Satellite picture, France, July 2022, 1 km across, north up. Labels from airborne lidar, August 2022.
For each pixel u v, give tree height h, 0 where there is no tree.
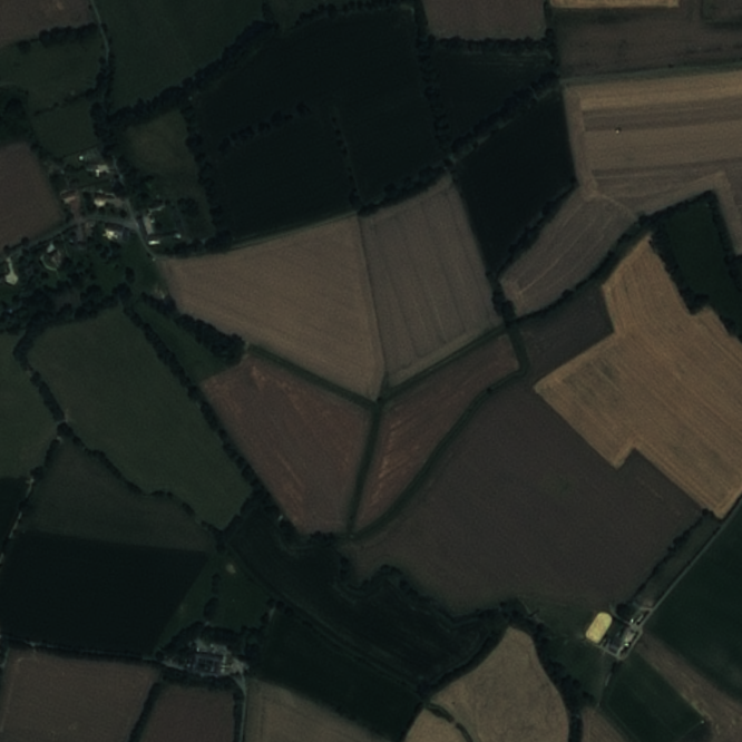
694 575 0
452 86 0
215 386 0
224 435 11
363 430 0
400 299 0
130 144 0
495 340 0
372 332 0
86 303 13
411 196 12
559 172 0
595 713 0
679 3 0
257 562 0
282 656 0
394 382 0
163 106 18
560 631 0
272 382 0
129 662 11
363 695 0
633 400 0
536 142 0
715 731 0
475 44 11
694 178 0
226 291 0
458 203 0
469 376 0
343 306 0
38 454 0
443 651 0
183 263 0
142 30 0
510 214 0
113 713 0
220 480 0
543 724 0
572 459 0
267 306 0
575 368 0
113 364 0
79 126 0
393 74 0
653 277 0
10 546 12
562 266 0
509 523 0
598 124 0
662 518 0
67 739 0
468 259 0
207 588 0
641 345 0
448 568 0
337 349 0
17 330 13
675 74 0
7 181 0
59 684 0
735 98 0
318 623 0
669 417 0
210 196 16
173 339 0
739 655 0
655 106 0
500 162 0
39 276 7
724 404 0
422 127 0
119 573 0
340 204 0
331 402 0
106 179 0
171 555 0
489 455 0
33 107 0
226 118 0
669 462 0
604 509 0
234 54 19
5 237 0
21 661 0
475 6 0
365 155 0
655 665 0
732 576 0
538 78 0
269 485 0
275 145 0
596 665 0
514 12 0
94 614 0
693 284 0
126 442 0
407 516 0
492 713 0
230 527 8
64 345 0
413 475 0
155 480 0
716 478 0
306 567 0
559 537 0
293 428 0
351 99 0
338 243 0
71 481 0
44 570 0
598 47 0
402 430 0
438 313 0
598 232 0
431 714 0
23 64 0
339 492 0
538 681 0
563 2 0
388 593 0
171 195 0
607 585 0
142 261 0
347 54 0
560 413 0
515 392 0
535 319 8
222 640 15
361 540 0
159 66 0
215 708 0
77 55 0
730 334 18
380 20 0
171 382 0
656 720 0
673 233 0
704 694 0
